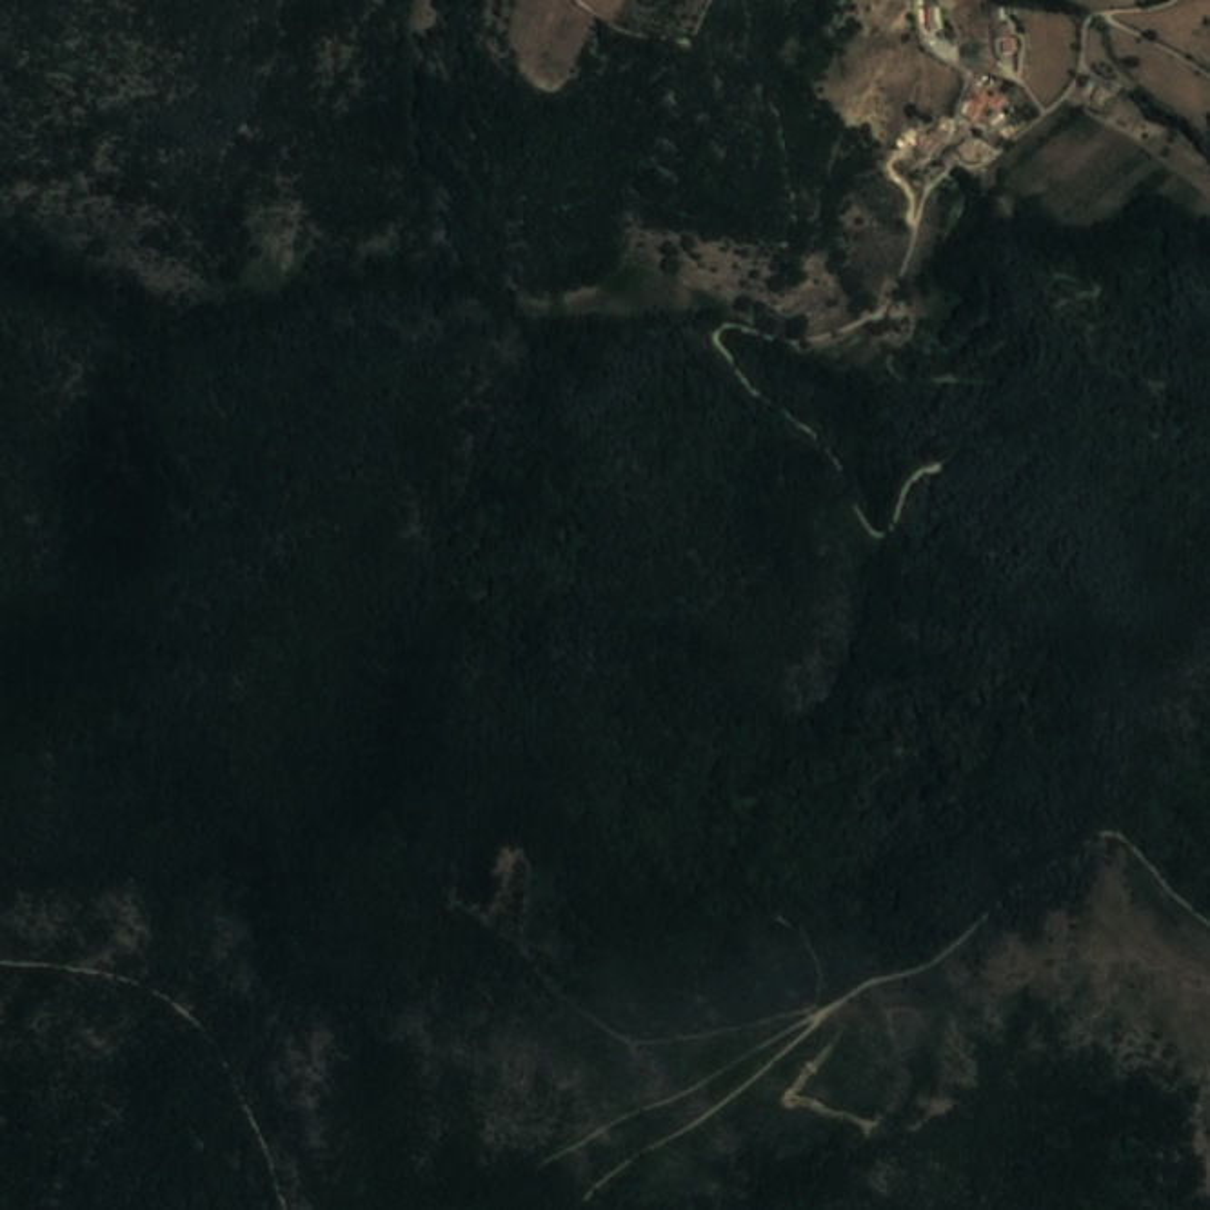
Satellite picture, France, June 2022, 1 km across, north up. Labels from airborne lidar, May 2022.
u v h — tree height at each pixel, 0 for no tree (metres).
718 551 8
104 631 17
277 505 7
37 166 6
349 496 10
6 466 10
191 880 11
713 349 8
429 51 9
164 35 8
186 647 10
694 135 7
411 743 18
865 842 11
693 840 10
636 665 12
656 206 6
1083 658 10
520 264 13
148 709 8
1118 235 8
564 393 9
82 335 7
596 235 9
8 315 11
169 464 13
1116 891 0
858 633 12
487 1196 11
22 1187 16
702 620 10
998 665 11
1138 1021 0
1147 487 12
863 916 9
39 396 7
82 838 11
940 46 0
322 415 13
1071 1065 9
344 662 13
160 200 9
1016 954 0
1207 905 7
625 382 9
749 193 7
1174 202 17
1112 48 0
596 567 11
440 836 9
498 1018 6
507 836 8
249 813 13
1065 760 9
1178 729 8
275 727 10
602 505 10
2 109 7
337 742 16
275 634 7
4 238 15
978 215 9
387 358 13
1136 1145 12
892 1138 7
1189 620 10
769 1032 0
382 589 15
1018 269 15
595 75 6
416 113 12
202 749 12
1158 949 0
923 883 14
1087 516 12
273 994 8
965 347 11
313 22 8
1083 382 17
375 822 10
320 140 7
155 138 13
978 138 9
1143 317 14
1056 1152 13
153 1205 11
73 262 9
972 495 15
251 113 9
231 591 7
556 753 8
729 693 15
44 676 17
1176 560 10
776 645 8
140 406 16
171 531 14
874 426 7
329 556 10
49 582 12
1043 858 8
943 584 9
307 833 16
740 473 12
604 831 11
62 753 12
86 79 6
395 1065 10
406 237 7
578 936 14
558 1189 10
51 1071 8
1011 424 13
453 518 19
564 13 0
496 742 9
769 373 16
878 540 6
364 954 9
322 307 9
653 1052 0
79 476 13
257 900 10
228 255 12
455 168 11
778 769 8
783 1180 10
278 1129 7
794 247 12
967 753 13
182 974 7
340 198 9
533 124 11
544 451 11
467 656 9
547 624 6
